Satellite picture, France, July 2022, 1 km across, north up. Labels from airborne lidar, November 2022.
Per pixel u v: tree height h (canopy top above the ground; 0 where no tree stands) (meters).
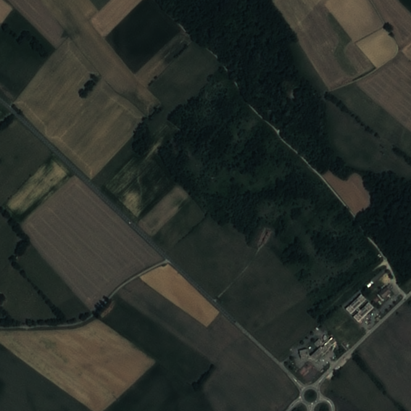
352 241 14
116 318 0
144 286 0
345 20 0
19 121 0
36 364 0
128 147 0
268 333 0
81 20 0
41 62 0
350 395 0
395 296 0
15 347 0
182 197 0
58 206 0
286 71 19
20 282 0
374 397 0
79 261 0
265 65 24
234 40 20
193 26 23
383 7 0
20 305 0
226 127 8
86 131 0
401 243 27
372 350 0
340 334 0
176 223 0
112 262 0
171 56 0
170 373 0
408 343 0
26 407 0
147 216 0
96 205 0
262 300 0
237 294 0
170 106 0
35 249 0
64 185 0
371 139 0
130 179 0
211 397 0
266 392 0
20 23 0
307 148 15
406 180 13
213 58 0
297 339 0
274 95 20
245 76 19
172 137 0
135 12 0
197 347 0
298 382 0
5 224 0
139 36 0
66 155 0
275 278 0
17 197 0
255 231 9
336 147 0
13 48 0
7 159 0
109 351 0
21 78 0
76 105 0
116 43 0
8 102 0
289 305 0
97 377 0
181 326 0
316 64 0
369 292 12
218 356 0
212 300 0
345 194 0
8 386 0
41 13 0
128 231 0
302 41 0
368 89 0
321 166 13
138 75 0
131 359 0
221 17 25
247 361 0
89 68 0
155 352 0
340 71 0
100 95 0
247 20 22
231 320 0
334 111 0
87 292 0
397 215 25
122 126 0
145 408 0
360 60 0
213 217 11
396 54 0
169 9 15
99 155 0
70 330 0
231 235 0
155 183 0
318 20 0
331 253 13
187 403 0
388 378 0
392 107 0
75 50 0
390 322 0
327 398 0
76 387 0
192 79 0
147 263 0
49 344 0
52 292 0
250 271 0
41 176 0
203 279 0
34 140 0
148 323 0
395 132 0
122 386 0
